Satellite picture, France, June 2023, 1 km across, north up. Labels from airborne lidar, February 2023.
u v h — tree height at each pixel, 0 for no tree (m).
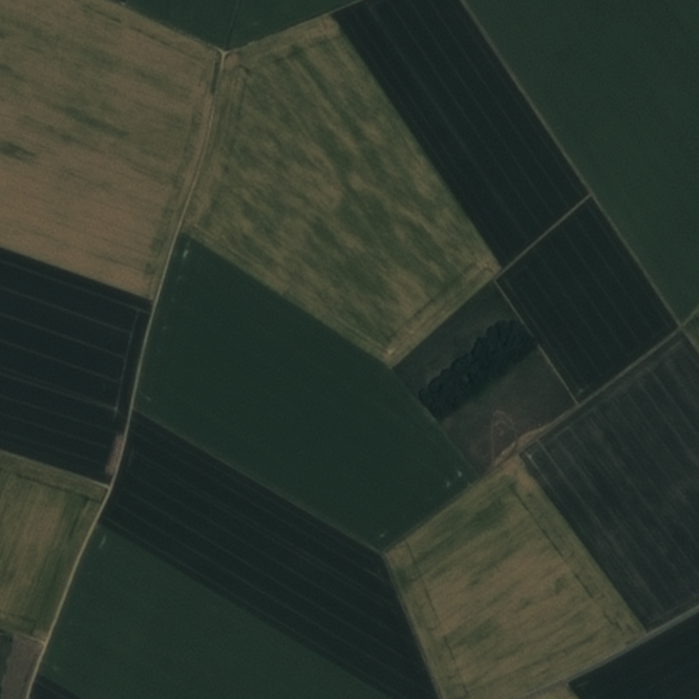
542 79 0
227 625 0
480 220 0
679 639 0
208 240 0
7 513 0
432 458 0
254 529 0
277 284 0
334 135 0
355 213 0
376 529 0
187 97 0
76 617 0
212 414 0
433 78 0
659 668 0
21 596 0
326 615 0
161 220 0
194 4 0
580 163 0
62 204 0
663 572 0
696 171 0
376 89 0
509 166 0
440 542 0
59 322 0
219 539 0
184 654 0
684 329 0
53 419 0
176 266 0
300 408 0
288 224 0
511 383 0
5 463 0
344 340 0
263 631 0
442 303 0
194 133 0
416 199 0
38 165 0
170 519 0
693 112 0
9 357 0
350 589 0
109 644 0
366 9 0
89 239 0
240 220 0
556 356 0
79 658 0
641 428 0
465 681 0
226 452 0
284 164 0
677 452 0
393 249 0
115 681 0
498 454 0
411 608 0
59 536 0
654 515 0
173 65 0
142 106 0
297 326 0
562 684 0
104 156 0
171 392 0
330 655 0
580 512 0
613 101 0
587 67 0
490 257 0
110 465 0
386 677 0
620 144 0
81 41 0
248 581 0
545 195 0
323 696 0
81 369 0
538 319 0
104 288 0
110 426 0
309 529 0
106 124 0
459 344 0
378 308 0
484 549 0
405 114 0
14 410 0
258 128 0
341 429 0
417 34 0
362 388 0
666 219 0
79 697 0
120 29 0
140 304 0
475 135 0
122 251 0
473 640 0
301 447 0
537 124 0
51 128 0
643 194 0
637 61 0
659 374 0
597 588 0
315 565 0
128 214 0
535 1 0
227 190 0
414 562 0
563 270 0
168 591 0
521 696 0
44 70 0
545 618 0
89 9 0
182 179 0
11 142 0
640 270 0
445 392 17
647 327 0
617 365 0
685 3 0
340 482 0
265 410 0
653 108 0
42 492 0
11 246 0
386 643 0
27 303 0
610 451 0
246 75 0
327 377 0
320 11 0
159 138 0
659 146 0
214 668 0
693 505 0
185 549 0
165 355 0
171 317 0
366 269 0
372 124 0
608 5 0
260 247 0
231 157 0
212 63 0
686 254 0
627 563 0
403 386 0
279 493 0
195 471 0
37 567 0
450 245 0
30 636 0
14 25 0
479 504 0
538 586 0
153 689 0
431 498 0
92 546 0
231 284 0
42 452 0
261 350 0
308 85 0
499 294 0
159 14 0
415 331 0
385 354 0
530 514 0
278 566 0
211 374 0
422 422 0
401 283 0
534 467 0
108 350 0
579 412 0
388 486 0
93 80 0
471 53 0
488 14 0
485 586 0
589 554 0
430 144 0
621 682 0
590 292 0
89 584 0
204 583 0
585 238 0
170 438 0
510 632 0
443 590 0
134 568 0
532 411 0
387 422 0
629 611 0
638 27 0
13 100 0
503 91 0
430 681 0
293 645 0
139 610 0
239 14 0
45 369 0
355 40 0
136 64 0
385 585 0
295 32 0
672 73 0
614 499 0
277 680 0
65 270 0
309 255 0
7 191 0
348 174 0
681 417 0
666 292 0
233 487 0
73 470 0
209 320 0
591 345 0
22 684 0
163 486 0
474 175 0
